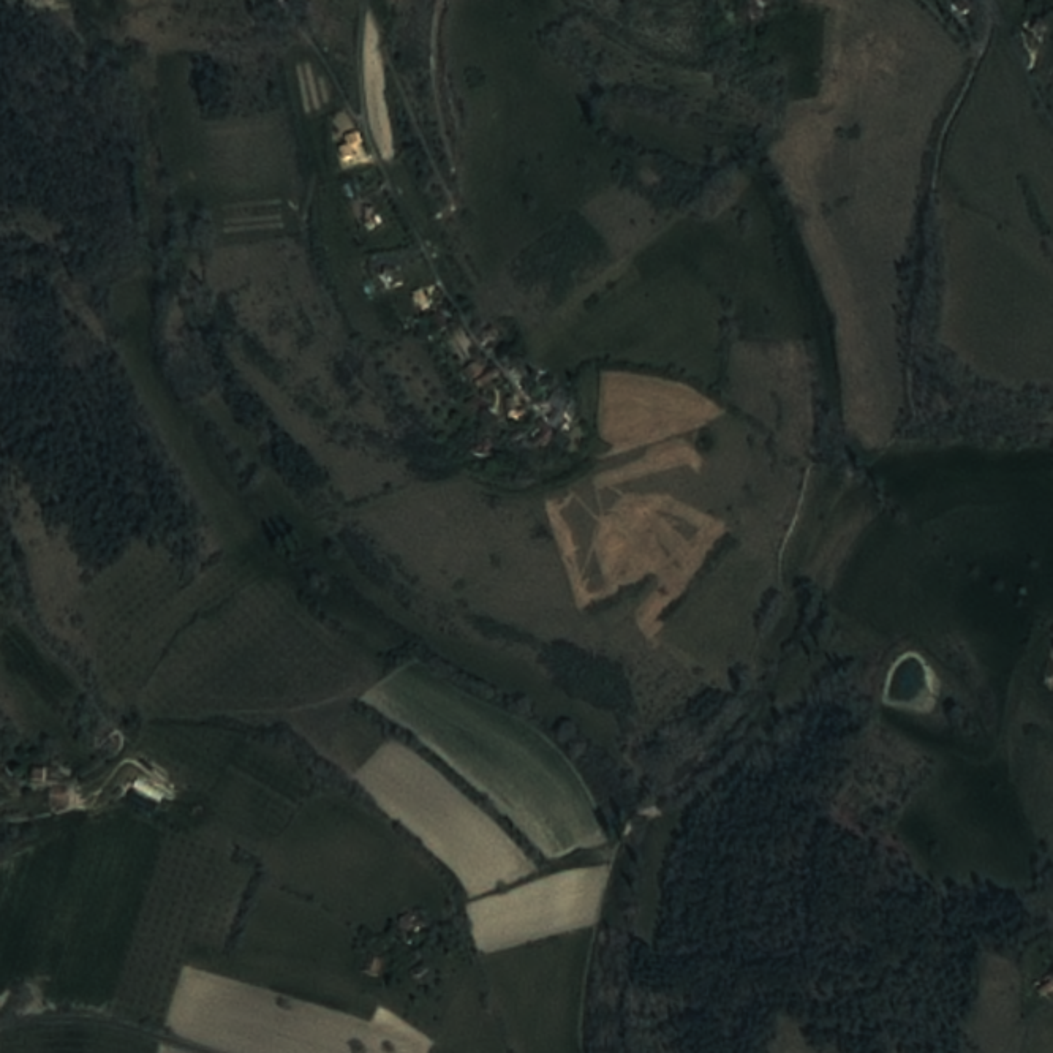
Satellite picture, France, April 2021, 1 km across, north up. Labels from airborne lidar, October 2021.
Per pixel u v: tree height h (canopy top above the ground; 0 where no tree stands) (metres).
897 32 0
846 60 0
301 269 0
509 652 0
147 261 21
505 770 0
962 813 0
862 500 0
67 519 6
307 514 0
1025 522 0
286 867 0
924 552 0
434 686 0
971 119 0
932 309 18
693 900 17
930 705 0
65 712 12
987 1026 0
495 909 0
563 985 0
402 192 0
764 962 14
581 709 0
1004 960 18
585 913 0
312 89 0
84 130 22
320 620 9
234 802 0
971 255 0
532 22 0
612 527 0
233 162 0
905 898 6
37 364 21
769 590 0
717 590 0
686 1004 13
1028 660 0
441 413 8
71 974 0
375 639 0
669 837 0
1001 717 0
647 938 0
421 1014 0
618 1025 15
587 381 0
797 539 0
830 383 0
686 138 0
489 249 0
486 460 8
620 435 0
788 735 21
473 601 0
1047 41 11
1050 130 0
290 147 0
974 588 0
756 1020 20
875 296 0
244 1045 0
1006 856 0
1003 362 0
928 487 0
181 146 0
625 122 0
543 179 0
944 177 0
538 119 0
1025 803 0
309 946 0
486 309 0
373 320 0
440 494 0
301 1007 0
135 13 0
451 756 0
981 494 0
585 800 0
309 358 0
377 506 0
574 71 16
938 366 14
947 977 9
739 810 19
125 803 5
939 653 0
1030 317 0
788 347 0
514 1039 0
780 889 15
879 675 0
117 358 14
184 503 10
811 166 0
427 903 0
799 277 0
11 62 24
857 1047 15
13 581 13
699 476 0
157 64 0
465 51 0
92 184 23
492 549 0
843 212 0
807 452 0
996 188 0
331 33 0
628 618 0
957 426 22
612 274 0
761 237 0
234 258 0
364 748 0
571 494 0
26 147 23
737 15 7
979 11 18
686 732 17
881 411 0
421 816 0
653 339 0
